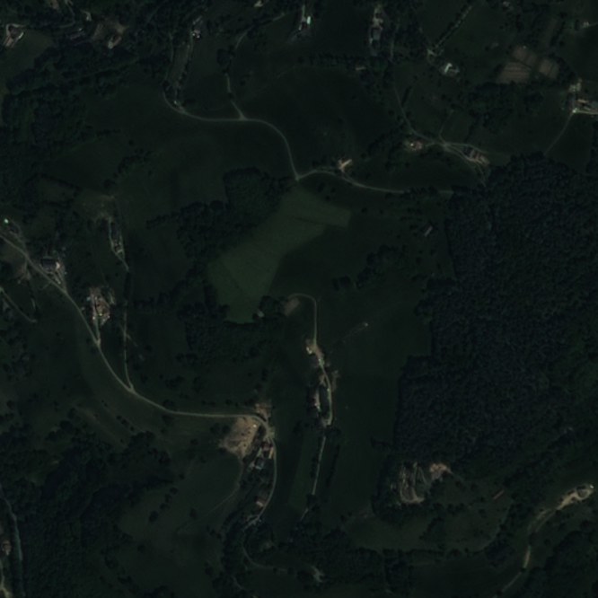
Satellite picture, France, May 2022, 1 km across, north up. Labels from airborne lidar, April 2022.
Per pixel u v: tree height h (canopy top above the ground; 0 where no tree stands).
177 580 0
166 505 7
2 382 0
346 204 0
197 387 6
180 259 0
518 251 24
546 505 0
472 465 22
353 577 22
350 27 0
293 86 0
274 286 0
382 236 0
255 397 0
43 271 0
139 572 0
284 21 0
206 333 19
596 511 8
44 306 0
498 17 0
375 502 13
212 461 0
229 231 19
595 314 23
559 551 20
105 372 0
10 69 0
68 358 0
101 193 0
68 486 19
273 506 0
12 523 20
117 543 8
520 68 0
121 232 0
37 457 14
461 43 0
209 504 0
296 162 0
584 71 0
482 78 0
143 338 0
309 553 14
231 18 6
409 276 11
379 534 0
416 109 0
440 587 0
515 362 24
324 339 0
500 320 25
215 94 0
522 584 0
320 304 0
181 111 0
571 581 27
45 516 25
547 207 21
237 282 0
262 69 0
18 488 27
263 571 0
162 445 0
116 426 0
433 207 0
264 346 21
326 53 0
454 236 18
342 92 0
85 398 0
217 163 0
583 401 25
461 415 13
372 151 13
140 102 0
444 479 10
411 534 0
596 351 18
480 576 0
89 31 8
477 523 0
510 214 19
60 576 18
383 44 13
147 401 0
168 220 6
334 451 0
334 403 0
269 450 0
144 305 15
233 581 11
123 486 0
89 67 16
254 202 18
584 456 28
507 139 0
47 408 0
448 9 0
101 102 0
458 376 13
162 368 0
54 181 12
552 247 28
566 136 0
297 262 0
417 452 24
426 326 0
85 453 24
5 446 21
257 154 0
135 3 0
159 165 0
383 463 0
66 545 17
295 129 0
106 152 0
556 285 10
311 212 0
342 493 0
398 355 0
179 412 0
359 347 0
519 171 17
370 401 0
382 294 0
